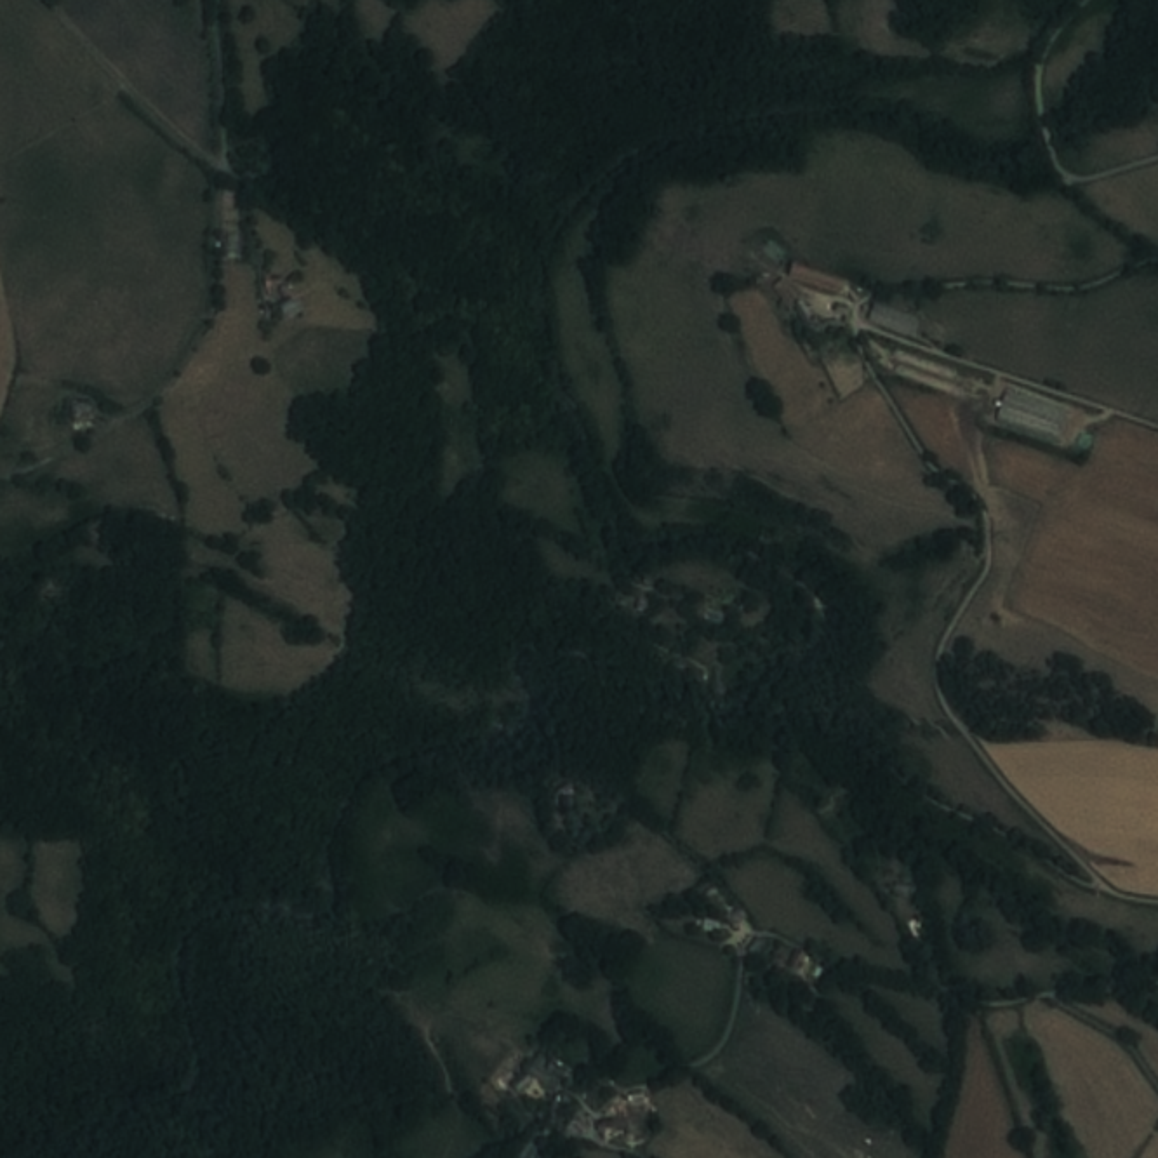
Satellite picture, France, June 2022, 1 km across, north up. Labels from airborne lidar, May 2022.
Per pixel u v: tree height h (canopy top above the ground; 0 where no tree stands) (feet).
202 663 0
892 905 48
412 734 46
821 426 0
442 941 0
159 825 64
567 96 64
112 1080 64
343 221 77
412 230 77
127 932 53
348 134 63
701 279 0
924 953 78
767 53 36
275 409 0
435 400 58
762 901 0
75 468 0
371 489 76
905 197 0
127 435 0
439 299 65
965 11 60
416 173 63
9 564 24
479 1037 0
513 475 0
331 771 48
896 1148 0
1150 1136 0
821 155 0
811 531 32
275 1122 56
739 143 52
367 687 55
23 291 0
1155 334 0
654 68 79
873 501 0
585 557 38
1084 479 0
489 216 69
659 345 0
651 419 0
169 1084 58
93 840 48
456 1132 0
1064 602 0
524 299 62
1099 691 37
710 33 49
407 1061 27
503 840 0
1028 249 0
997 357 0
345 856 39
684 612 49
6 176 0
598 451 29
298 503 52
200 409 0
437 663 48
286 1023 69
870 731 53
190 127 0
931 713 0
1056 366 0
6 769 65
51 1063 71
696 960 0
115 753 89
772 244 0
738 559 54
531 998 0
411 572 50
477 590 70
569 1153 41
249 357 0
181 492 38
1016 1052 0
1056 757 0
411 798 42
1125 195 0
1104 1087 0
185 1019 33
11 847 0
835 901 46
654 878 0
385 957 46
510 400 57
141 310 0
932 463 42
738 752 17
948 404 0
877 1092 41
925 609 0
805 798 21
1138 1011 60
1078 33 0
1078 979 63
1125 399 0
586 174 66
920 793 72
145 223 0
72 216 0
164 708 52
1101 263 0
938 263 0
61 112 0
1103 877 0
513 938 0
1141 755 0
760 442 0
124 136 0
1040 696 29
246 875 79
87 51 0
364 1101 41
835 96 55
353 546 60
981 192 0
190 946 54
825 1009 66
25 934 0
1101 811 0
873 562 0
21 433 0
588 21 71
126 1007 41
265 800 49
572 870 0
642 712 71
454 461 0
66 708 84
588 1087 52
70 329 0
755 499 33
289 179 80
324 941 42
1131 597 0
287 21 0
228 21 47
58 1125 66
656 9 71
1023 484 0
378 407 65
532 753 77
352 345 0
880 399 0
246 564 33
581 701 73
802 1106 0
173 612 20
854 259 0
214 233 18
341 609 0
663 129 59
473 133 51
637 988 0
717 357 0
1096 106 72
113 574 53
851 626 26
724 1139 0
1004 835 33
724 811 0
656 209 26
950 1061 40
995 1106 0
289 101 62
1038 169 89
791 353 0
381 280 82
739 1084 0
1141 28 62
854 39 0
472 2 0
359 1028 33
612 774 56
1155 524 0
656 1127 45
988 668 33
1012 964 0
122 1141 83
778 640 52
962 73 63
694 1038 0
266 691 0
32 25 0
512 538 65
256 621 0
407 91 59
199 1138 40
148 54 0
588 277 62
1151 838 0
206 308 0
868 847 70
